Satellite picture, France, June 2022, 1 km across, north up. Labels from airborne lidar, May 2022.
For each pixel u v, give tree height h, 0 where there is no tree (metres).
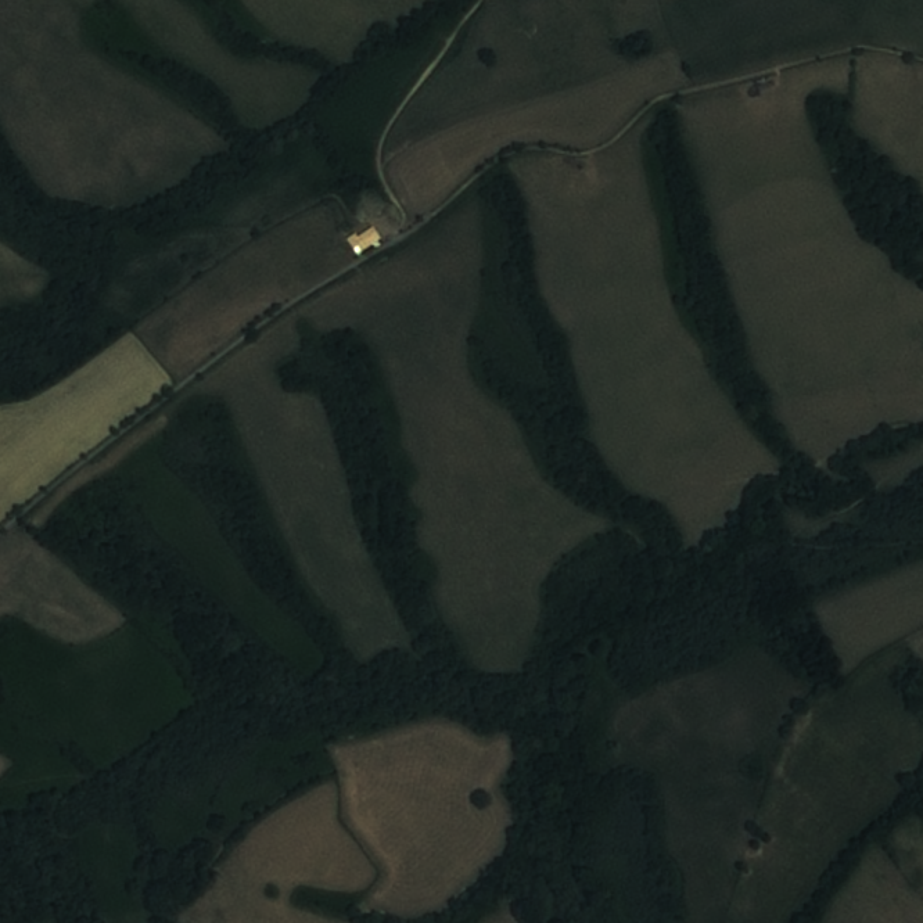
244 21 0
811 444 0
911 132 0
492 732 8
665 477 0
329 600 0
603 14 0
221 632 21
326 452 0
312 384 9
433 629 15
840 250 0
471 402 0
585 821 12
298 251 0
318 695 19
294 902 0
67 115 0
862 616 0
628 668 10
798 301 0
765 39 0
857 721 0
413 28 20
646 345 0
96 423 0
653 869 12
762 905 0
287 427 0
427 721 0
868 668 0
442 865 0
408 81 0
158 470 0
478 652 0
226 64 0
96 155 0
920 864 0
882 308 0
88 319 8
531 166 0
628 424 0
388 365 0
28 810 7
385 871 0
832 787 0
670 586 17
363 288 0
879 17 0
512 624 0
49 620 0
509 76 0
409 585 12
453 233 0
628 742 0
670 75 0
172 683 0
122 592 7
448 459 0
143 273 0
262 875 0
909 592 0
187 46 0
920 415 0
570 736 9
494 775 0
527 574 0
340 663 15
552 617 7
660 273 0
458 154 0
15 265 0
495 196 10
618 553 8
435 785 0
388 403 0
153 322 0
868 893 0
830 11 0
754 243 0
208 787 0
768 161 0
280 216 0
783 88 0
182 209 8
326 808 0
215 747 6
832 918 0
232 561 0
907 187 19
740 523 17
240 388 0
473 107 0
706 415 0
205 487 8
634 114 0
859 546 11
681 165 14
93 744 0
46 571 0
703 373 0
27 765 0
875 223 12
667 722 0
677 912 10
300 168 0
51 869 16
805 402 0
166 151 0
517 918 16
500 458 0
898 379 0
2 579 0
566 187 0
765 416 16
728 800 0
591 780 17
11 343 11
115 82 0
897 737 0
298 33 0
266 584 14
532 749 12
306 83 0
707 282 18
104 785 8
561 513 0
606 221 0
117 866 0
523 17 0
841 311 0
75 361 8
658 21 0
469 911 20
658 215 0
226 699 17
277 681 14
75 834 6
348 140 0
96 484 5
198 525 0
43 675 0
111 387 0
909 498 15
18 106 0
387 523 17
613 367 0
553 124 0
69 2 0
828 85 0
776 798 0
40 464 0
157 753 21
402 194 0
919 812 10
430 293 0
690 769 0
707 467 0
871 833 15
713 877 0
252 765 0
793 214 0
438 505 0
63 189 0
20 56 0
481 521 0
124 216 13
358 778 0
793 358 0
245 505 12
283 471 0
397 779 0
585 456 14
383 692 7
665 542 7
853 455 19
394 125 0
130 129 0
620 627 14
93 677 0
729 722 0
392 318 0
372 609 0
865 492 12
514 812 10
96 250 12
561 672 25
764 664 0
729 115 0
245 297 0
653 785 9
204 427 0
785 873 0
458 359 0
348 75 14
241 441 0
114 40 0
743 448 0
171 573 16
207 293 0
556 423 18
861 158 9
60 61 0
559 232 0
